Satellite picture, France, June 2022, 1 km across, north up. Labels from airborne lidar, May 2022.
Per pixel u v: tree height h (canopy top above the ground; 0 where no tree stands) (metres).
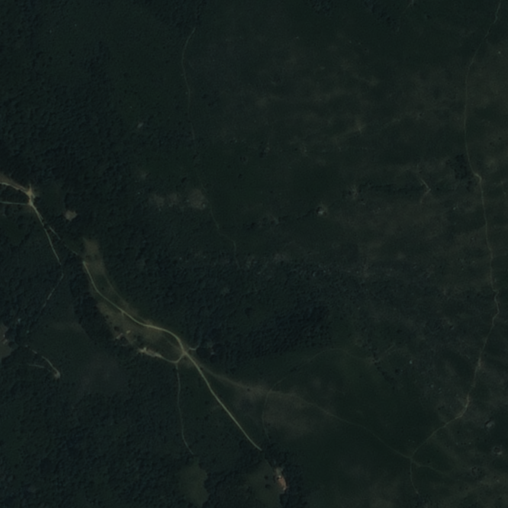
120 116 12
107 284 0
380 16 13
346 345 0
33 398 18
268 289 9
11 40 11
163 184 6
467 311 0
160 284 9
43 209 14
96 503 10
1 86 13
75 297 13
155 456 12
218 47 0
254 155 0
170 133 6
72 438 17
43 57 14
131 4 6
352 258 0
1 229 8
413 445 0
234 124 0
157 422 9
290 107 0
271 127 0
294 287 9
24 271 17
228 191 0
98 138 15
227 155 0
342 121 0
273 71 0
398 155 0
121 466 13
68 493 6
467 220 0
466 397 0
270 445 7
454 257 0
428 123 0
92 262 0
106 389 0
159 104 5
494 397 0
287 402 0
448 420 0
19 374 23
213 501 15
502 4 0
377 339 0
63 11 7
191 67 0
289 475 17
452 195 0
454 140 0
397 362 0
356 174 0
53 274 20
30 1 12
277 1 0
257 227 8
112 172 16
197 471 0
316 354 0
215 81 0
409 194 6
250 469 20
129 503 10
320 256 0
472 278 0
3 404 9
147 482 7
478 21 0
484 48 0
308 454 0
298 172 0
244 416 0
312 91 0
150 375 6
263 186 0
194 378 0
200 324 12
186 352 0
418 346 0
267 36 0
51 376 11
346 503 0
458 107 0
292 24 0
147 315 0
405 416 0
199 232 7
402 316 0
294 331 9
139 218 18
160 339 0
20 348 7
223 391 0
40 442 12
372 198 0
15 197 8
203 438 10
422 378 0
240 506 20
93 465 9
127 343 10
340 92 0
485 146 0
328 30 0
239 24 0
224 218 0
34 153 7
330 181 0
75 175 15
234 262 8
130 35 5
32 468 10
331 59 0
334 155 0
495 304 0
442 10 0
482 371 0
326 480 0
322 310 10
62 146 8
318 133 0
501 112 0
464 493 0
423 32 0
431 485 0
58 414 11
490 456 0
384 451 0
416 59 0
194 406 0
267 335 6
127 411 17
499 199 0
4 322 10
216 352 17
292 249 0
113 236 12
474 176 6
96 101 13
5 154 18
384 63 0
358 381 0
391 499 0
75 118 14
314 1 11
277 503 0
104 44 8
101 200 11
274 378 0
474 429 0
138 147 8
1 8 18
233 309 11
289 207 0
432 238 0
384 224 0
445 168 0
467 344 0
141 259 17
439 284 0
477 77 0
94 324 15
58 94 17
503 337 0
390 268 0
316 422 0
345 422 0
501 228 0
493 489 0
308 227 0
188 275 20
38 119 10
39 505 15
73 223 12
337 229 0
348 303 0
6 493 14
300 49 0
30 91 13
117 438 11
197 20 9
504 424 0
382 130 0
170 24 6
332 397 0
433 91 0
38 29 11
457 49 0
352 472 0
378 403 0
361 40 0
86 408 20
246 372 0
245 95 0
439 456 0
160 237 11
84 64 6
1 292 25
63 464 14
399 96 0
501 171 0
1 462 8
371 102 0
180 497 15
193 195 0
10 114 12
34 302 10
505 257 0
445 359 0
